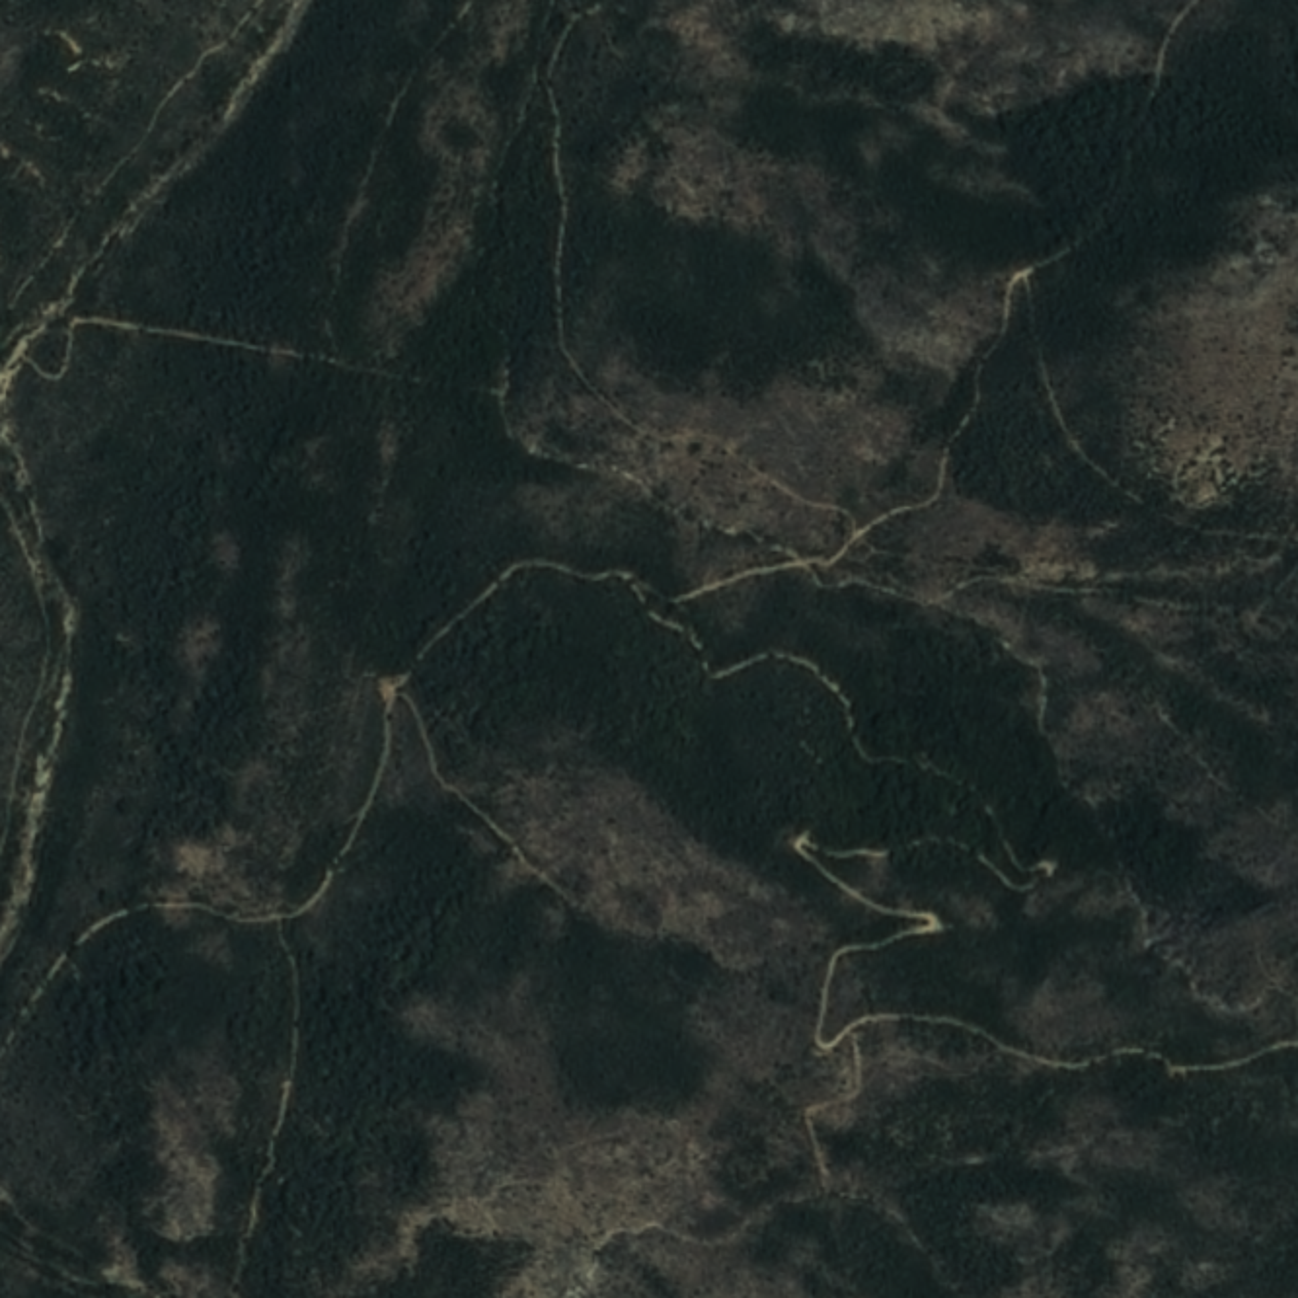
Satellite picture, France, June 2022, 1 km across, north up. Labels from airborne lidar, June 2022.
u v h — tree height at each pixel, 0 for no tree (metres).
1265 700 7
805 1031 0
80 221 8
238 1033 11
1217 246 7
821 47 6
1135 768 7
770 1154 7
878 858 0
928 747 8
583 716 8
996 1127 7
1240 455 0
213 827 9
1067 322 8
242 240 7
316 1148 11
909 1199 7
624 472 0
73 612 0
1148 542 9
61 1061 7
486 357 8
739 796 8
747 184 0
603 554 8
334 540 10
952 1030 6
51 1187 7
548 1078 0
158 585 8
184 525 6
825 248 0
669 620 8
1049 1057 0
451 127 6
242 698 10
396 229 7
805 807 10
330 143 9
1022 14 0
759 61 8
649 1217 0
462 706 7
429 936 9
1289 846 0
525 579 9
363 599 6
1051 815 10
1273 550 12
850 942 8
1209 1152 7
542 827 0
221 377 9
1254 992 0
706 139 0
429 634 10
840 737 6
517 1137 0
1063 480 12
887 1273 7
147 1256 11
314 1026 7
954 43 0
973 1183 6
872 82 10
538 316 7
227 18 0
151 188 0
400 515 6
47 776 0
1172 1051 6
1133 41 0
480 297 7
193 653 0
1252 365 0
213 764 9
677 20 0
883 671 6
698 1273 0
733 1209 0
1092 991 0
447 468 11
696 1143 0
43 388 0
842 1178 0
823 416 0
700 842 8
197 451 8
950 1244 8
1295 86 6
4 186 8
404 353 8
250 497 9
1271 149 9
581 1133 0
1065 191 10
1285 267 0
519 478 10
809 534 0
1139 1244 0
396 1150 8
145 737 7
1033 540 0
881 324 0
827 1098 0
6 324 8
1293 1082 8
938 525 0
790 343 7
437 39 6
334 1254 8
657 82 7
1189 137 12
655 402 0
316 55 5
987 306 0
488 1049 0
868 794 14
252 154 6
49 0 7
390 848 9
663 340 9
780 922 0
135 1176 10
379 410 9
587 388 6
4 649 6
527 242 9
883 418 0
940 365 0
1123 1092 8
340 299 8
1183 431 0
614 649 9
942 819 14
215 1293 0
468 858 8
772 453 0
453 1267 6
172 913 0
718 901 0
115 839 0
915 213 6
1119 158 11
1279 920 0
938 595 0
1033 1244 0
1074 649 0
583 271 7
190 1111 0
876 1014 6
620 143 7
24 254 5
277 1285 8
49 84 6
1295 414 0
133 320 6
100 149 8
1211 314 0
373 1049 8
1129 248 10
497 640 10
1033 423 6
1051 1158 0
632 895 0
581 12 9
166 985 11
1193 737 6
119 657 8
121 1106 11
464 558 8
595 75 6
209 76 8
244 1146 8
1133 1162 0
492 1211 0
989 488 9
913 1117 5
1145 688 8
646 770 7
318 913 0
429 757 0
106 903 9
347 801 0
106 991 10
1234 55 6
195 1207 0
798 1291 0
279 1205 7
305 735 8
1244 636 7
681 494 0
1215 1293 6
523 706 8
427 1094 6
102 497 0
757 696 8
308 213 9
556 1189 0
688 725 9
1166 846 9
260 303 8
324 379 7
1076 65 0
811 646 6
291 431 11
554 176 9
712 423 0
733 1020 0
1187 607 6
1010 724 10
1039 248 6
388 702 0
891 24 0
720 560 0
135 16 0
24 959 7
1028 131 10
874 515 0
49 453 0
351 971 8
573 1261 0
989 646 8
